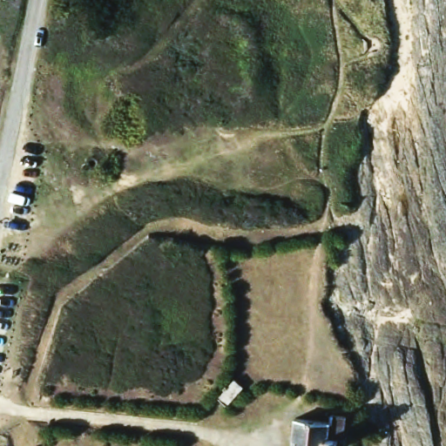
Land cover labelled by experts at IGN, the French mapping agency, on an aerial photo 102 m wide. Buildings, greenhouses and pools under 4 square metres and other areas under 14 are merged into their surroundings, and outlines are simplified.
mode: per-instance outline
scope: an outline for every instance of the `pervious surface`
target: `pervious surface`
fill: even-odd
[[[70,254],[73,249],[71,244],[75,242],[75,233],[84,225],[80,220],[84,216],[96,218],[98,214],[105,214],[103,200],[122,192],[125,188],[141,185],[146,181],[186,178],[195,167],[204,166],[218,155],[237,155],[244,150],[251,150],[267,139],[314,134],[319,131],[322,131],[322,138],[328,138],[329,129],[336,122],[357,120],[361,111],[371,110],[376,101],[362,98],[361,92],[350,89],[347,71],[352,70],[354,61],[361,61],[364,66],[383,64],[389,54],[389,31],[385,24],[383,0],[326,0],[328,7],[333,7],[334,31],[340,51],[340,77],[338,94],[324,122],[287,127],[277,120],[270,120],[267,125],[233,127],[232,131],[213,125],[185,125],[183,136],[178,136],[174,132],[159,132],[150,141],[146,141],[145,145],[131,148],[122,145],[118,139],[106,138],[103,132],[103,120],[108,111],[113,108],[113,103],[117,99],[122,98],[122,87],[118,77],[122,73],[132,73],[141,70],[146,64],[159,61],[162,52],[169,45],[169,40],[159,40],[143,59],[136,63],[120,64],[101,80],[78,85],[75,101],[84,110],[87,120],[92,122],[91,129],[84,132],[66,117],[63,110],[63,68],[47,63],[44,57],[38,54],[38,47],[47,40],[44,23],[47,0],[28,0],[16,63],[7,63],[7,49],[0,40],[0,446],[38,446],[37,427],[40,422],[49,422],[49,429],[64,430],[66,439],[59,439],[56,446],[105,446],[103,441],[85,436],[85,430],[91,425],[99,425],[103,434],[129,437],[134,443],[131,446],[289,446],[289,439],[294,437],[291,422],[300,422],[298,416],[319,408],[319,402],[307,402],[310,390],[343,395],[348,387],[348,382],[354,376],[354,369],[343,357],[343,350],[334,340],[331,324],[322,314],[322,296],[326,289],[326,253],[324,247],[319,246],[322,240],[321,232],[331,228],[340,226],[334,221],[336,213],[328,202],[321,220],[314,223],[274,225],[253,230],[228,225],[206,225],[188,218],[166,218],[146,223],[143,230],[134,233],[131,239],[125,240],[120,249],[111,253],[98,267],[91,268],[89,272],[80,275],[57,293],[56,303],[38,347],[37,361],[31,371],[30,382],[23,382],[21,376],[16,375],[16,369],[19,368],[21,350],[33,338],[31,326],[37,312],[44,307],[44,301],[33,296],[33,274],[24,265],[30,258],[44,258],[47,251]],[[68,152],[75,152],[78,148],[120,150],[125,153],[124,174],[118,181],[108,185],[98,183],[78,186],[80,183],[73,176],[56,178],[56,172],[51,169],[51,162],[42,159],[42,153],[44,145],[59,143],[66,146]],[[42,376],[49,364],[49,352],[64,305],[85,291],[94,280],[105,277],[120,261],[136,253],[136,249],[152,237],[153,240],[160,242],[171,240],[176,244],[186,244],[206,253],[214,274],[216,307],[213,312],[213,324],[218,348],[207,366],[206,373],[197,382],[186,383],[183,394],[153,394],[148,389],[131,389],[125,390],[118,397],[134,399],[134,408],[169,409],[172,402],[200,402],[209,390],[216,387],[216,378],[221,375],[225,364],[228,338],[226,301],[223,296],[223,280],[226,280],[232,287],[233,294],[233,368],[237,371],[246,371],[253,380],[303,385],[303,394],[298,395],[296,399],[267,392],[254,399],[251,404],[247,404],[244,413],[228,416],[225,415],[226,406],[240,392],[237,383],[230,383],[230,387],[223,390],[223,394],[220,395],[218,408],[213,416],[207,416],[199,422],[183,422],[174,418],[106,413],[103,409],[89,411],[52,408],[51,399],[42,392]],[[253,258],[253,242],[263,240],[267,242],[267,246],[310,240],[314,249],[298,249],[291,253],[275,253],[272,256]],[[221,265],[211,249],[240,253],[244,260],[240,261],[239,265],[235,261],[226,261]]]
[[[70,382],[68,376],[61,378],[56,389],[70,394],[115,397],[110,389],[85,387],[80,383],[77,385]]]

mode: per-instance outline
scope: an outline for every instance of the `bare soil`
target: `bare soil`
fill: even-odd
[[[319,408],[298,416],[300,422],[307,425],[310,422],[326,423],[329,416],[333,416],[333,425],[329,427],[329,439],[336,443],[336,446],[446,446],[446,0],[383,0],[385,24],[389,31],[389,54],[383,64],[383,82],[380,87],[376,87],[376,92],[382,98],[376,101],[371,110],[361,111],[357,120],[362,138],[361,148],[357,153],[357,159],[348,167],[343,179],[343,186],[350,195],[347,207],[352,214],[336,213],[334,221],[340,226],[331,228],[333,235],[343,240],[343,247],[336,251],[334,258],[326,253],[326,289],[322,296],[322,314],[331,324],[334,340],[343,350],[343,357],[354,369],[354,376],[348,382],[348,387],[352,390],[361,390],[361,406],[352,411]]]

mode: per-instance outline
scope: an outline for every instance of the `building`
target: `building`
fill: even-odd
[[[336,443],[329,439],[329,427],[333,425],[333,416],[329,416],[326,423],[310,422],[307,425],[300,422],[291,422],[294,437],[289,439],[289,446],[336,446]]]

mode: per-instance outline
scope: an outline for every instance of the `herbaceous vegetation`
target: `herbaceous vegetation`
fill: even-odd
[[[91,129],[92,122],[87,120],[84,110],[75,101],[78,85],[101,80],[120,64],[136,63],[143,59],[159,40],[169,40],[169,45],[162,52],[159,61],[146,64],[141,70],[132,73],[122,73],[118,77],[122,87],[122,98],[117,99],[113,103],[113,108],[108,111],[103,120],[103,132],[106,138],[118,139],[122,145],[131,148],[145,145],[146,141],[150,141],[159,132],[174,132],[178,136],[183,136],[185,125],[213,125],[232,131],[233,127],[267,125],[270,120],[277,120],[287,127],[324,122],[338,94],[340,77],[340,51],[334,31],[333,7],[328,7],[326,0],[132,0],[132,9],[139,16],[136,24],[131,28],[118,26],[115,35],[96,38],[96,33],[89,31],[87,24],[78,23],[77,19],[68,17],[68,12],[63,10],[64,0],[47,0],[44,23],[47,40],[38,47],[38,54],[44,57],[47,63],[63,68],[63,110],[66,117],[84,132]]]
[[[244,150],[237,155],[218,155],[204,166],[195,167],[186,178],[146,181],[141,185],[125,188],[122,192],[103,200],[105,214],[98,214],[96,218],[84,216],[80,220],[84,225],[75,233],[75,242],[71,244],[73,249],[70,254],[47,251],[44,258],[30,258],[24,265],[33,274],[33,296],[44,301],[44,307],[37,312],[31,326],[33,338],[21,350],[19,368],[16,369],[16,375],[21,376],[23,382],[30,382],[31,371],[37,361],[38,347],[56,303],[57,293],[80,275],[89,272],[91,268],[98,267],[111,253],[120,249],[125,240],[131,239],[134,233],[143,230],[146,223],[166,218],[188,218],[206,225],[228,225],[253,230],[274,225],[314,223],[321,220],[328,202],[336,213],[352,214],[347,207],[350,195],[343,186],[343,179],[348,167],[357,159],[357,153],[361,148],[362,138],[357,120],[336,122],[329,129],[328,138],[322,138],[322,131],[319,131],[314,134],[267,139],[251,150]]]
[[[118,181],[124,174],[125,153],[120,150],[78,148],[75,152],[68,152],[66,146],[59,143],[44,145],[42,153],[42,159],[51,162],[51,169],[56,172],[56,178],[73,176],[80,183],[78,186],[98,183],[108,185]]]
[[[352,70],[347,71],[350,89],[361,92],[362,98],[376,101],[382,98],[376,92],[376,87],[380,87],[383,82],[383,64],[364,66],[361,61],[354,61]]]
[[[7,63],[16,63],[28,0],[0,0],[0,40],[7,49]]]
[[[153,240],[152,237],[136,249],[136,253],[120,261],[105,277],[94,280],[85,291],[64,305],[49,352],[49,364],[42,376],[42,392],[45,387],[56,389],[61,378],[68,376],[70,382],[77,385],[80,383],[85,387],[110,389],[115,397],[118,397],[125,390],[131,389],[148,389],[153,394],[183,394],[186,383],[197,382],[206,373],[207,366],[218,348],[213,324],[213,312],[216,307],[214,274],[206,253],[186,244],[176,244],[171,240],[160,242]]]

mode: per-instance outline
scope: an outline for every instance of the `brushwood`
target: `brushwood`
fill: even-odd
[[[221,265],[226,261],[235,261],[239,265],[240,261],[244,260],[240,253],[211,249]]]
[[[91,425],[85,430],[85,436],[103,441],[105,446],[131,446],[134,443],[129,437],[103,434],[99,425]]]
[[[87,24],[89,31],[96,33],[96,38],[115,35],[118,26],[131,28],[136,24],[139,16],[132,9],[132,0],[64,0],[63,10],[68,12],[68,17],[77,19],[78,23]]]
[[[272,256],[275,253],[291,253],[298,249],[314,249],[310,240],[267,246],[267,242],[263,240],[253,242],[253,258]]]
[[[56,389],[45,387],[42,392],[51,399],[52,408],[89,411],[103,409],[106,413],[174,418],[183,422],[199,422],[207,416],[213,416],[218,408],[220,395],[223,394],[223,390],[230,387],[230,383],[237,383],[240,392],[226,406],[225,415],[228,416],[244,413],[247,404],[251,404],[254,399],[267,392],[296,399],[298,395],[303,394],[303,385],[253,380],[246,371],[237,371],[233,368],[233,294],[232,287],[226,280],[223,280],[223,296],[226,301],[228,338],[225,364],[221,375],[216,378],[216,387],[209,390],[200,402],[172,402],[169,409],[134,408],[134,399],[118,397],[115,397],[70,394]]]
[[[352,390],[348,387],[343,395],[310,390],[307,402],[319,402],[319,408],[352,411],[361,406],[361,390]]]
[[[38,446],[56,446],[59,439],[66,439],[64,430],[49,429],[49,422],[40,422],[37,427]]]
[[[343,247],[343,240],[333,235],[331,228],[321,232],[322,240],[319,246],[324,247],[326,253],[334,258],[336,251]]]

